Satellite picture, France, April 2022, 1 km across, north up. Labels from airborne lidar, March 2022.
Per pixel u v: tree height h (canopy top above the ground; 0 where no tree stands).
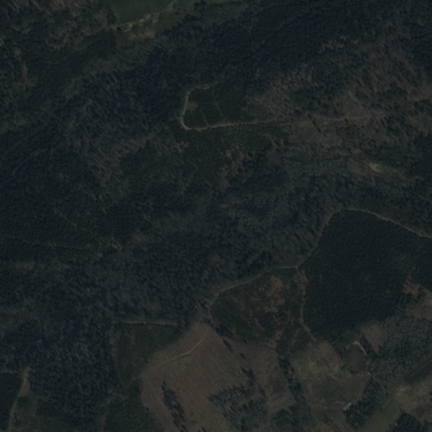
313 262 8
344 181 12
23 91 16
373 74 26
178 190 25
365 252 10
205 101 7
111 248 12
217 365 0
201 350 0
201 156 11
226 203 19
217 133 10
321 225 22
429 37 15
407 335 18
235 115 6
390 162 8
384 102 17
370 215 7
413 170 8
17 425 6
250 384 0
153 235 18
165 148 19
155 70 17
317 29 8
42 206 23
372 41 8
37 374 7
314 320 8
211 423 0
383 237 9
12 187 9
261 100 23
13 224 21
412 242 10
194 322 23
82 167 19
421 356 15
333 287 9
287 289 7
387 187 30
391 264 8
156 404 0
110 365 26
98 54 18
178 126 9
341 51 11
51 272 18
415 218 8
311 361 0
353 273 10
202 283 14
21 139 9
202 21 20
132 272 22
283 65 8
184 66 7
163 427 0
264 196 20
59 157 11
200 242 20
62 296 15
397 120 21
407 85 17
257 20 15
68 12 15
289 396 0
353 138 10
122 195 21
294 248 23
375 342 0
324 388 0
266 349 0
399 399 0
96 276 17
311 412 21
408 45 20
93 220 13
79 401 24
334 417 0
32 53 13
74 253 11
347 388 0
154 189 19
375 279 8
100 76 13
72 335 7
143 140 18
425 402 0
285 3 21
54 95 17
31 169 16
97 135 9
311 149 22
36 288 9
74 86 27
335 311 10
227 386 0
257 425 26
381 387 21
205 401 0
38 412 6
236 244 16
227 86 7
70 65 16
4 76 25
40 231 18
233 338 23
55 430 0
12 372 28
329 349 0
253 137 9
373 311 8
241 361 0
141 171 14
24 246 22
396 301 9
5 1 22
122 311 8
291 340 5
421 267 13
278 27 15
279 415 0
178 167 15
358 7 18
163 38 23
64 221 19
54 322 7
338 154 23
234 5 16
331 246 10
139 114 17
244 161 9
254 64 17
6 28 39
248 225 18
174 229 20
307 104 14
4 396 11
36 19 34
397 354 16
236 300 0
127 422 10
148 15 0
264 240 32
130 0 0
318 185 23
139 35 0
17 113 29
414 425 20
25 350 7
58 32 9
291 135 7
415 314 0
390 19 16
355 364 0
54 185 18
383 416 0
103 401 22
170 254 29
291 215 12
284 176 24
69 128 0
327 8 8
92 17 18
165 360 0
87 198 20
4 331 30
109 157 21
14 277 15
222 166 10
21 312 7
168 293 16
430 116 20
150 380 0
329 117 24
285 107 27
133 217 31
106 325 21
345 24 9
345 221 9
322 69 25
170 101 18
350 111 0
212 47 23
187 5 0
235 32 18
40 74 17
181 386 0
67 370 24
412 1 17
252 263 32
